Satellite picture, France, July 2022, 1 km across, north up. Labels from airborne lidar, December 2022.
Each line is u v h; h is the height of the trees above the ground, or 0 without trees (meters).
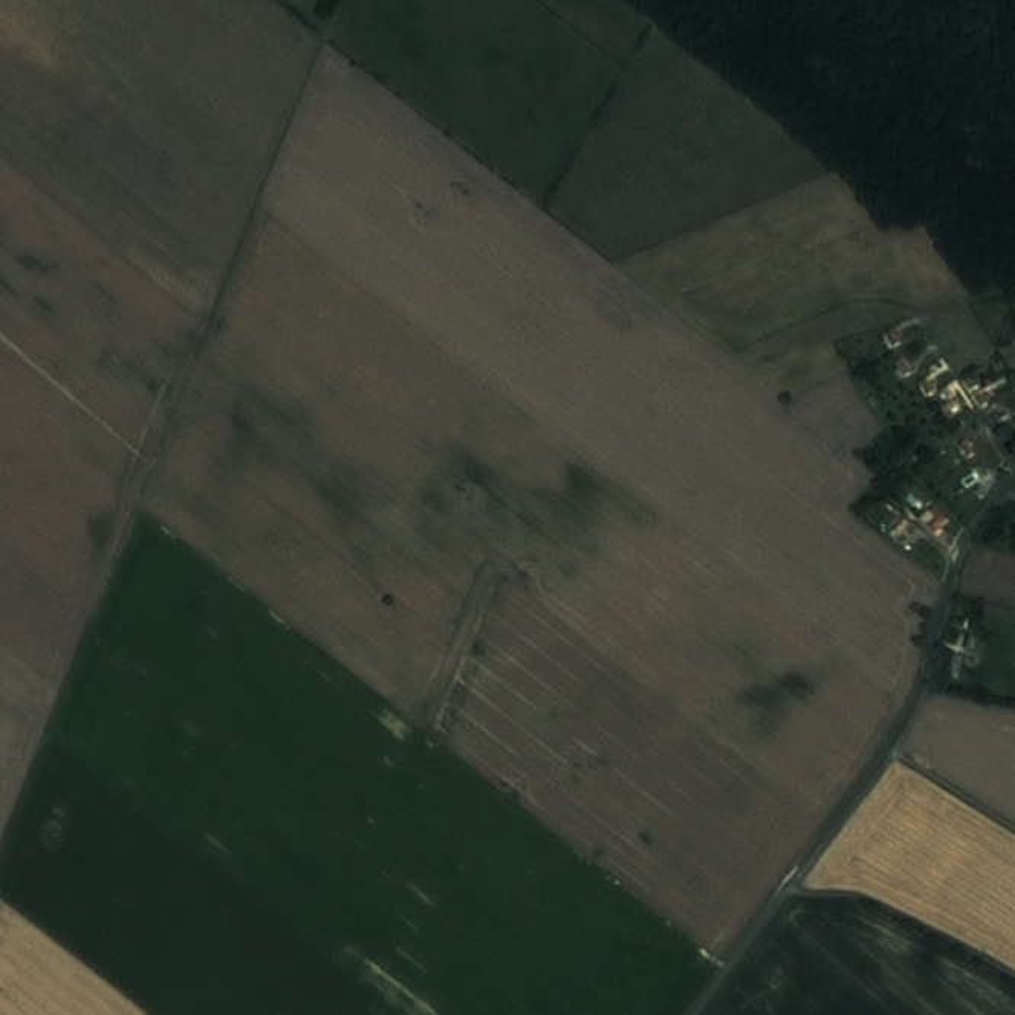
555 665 0
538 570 0
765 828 0
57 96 0
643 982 0
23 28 0
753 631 0
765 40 18
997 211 27
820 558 0
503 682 0
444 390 0
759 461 0
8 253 0
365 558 0
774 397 0
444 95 0
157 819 0
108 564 0
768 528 0
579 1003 0
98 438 0
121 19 0
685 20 20
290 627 0
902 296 0
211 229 0
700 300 0
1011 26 20
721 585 0
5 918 0
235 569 0
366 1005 0
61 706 0
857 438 0
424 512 0
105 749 0
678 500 0
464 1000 0
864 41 19
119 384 0
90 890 0
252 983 0
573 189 0
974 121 21
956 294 0
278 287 0
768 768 0
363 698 0
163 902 0
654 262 0
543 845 0
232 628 0
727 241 0
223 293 0
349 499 0
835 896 0
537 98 0
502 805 0
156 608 0
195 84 0
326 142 0
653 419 0
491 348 0
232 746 0
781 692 0
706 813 0
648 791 0
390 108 0
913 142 25
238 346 0
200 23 0
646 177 0
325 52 0
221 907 0
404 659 0
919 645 10
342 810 0
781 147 0
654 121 0
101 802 0
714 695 0
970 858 0
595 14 0
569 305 0
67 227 0
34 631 0
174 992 0
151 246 0
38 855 0
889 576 0
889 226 17
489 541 0
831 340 0
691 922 0
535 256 0
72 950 0
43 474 0
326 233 0
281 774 0
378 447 0
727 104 0
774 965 0
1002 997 0
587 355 0
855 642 0
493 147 0
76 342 0
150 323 0
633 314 0
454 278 0
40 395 0
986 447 0
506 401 0
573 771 0
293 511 0
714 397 0
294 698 0
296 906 0
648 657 0
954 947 7
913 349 6
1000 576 0
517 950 0
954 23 19
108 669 0
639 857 0
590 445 0
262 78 0
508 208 0
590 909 0
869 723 0
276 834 0
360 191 0
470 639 0
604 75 0
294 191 0
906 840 0
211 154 0
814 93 18
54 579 0
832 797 0
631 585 0
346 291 0
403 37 0
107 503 0
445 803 0
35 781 0
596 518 0
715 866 0
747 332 0
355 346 0
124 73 0
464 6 0
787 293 0
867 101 21
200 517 0
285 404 0
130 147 0
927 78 24
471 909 0
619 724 0
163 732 0
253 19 0
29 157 0
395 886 0
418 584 0
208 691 0
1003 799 0
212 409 0
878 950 0
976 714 0
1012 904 0
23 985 0
